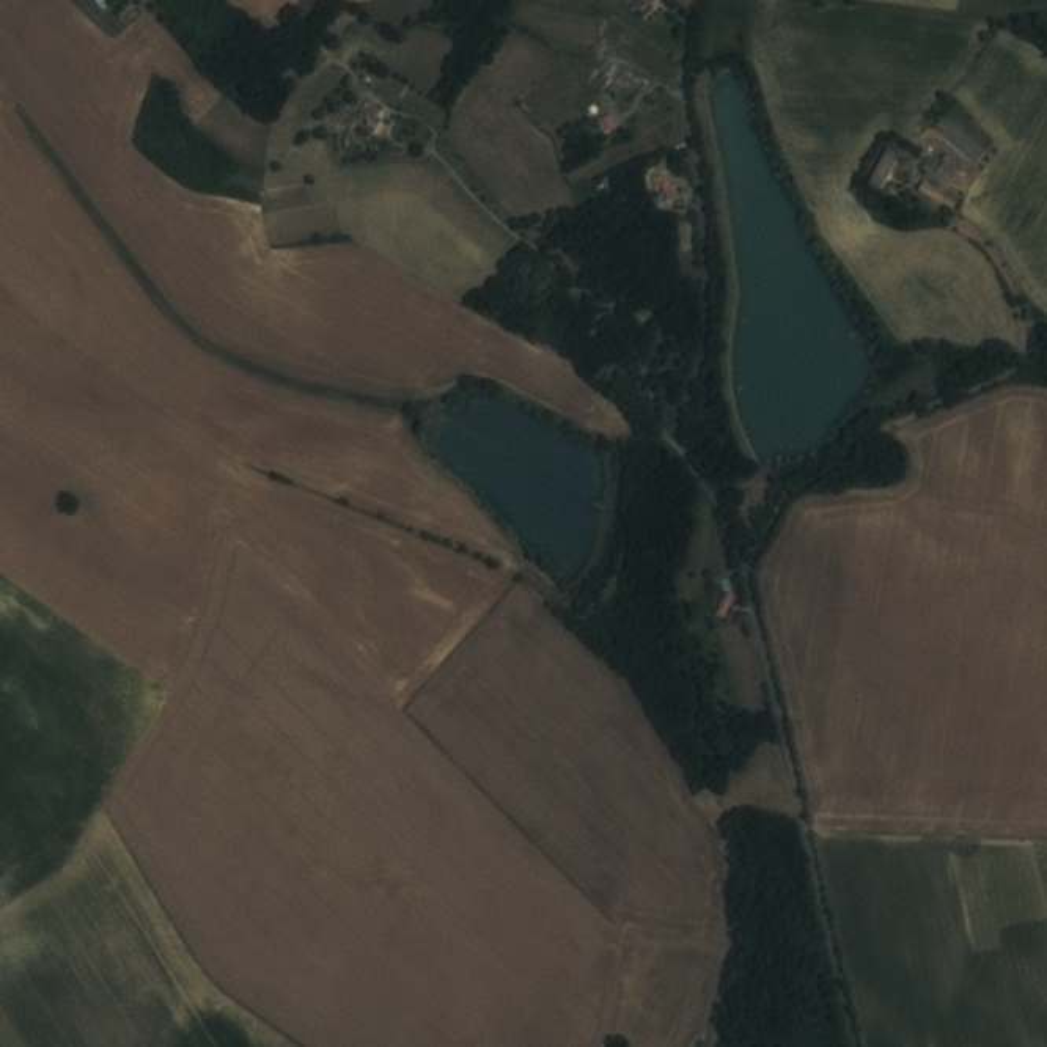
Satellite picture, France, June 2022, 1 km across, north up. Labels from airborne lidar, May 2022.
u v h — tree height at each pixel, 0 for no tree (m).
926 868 0
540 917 0
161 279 0
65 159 0
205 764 0
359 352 0
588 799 0
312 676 0
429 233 0
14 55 0
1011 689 0
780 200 0
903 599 0
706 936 0
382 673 0
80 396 0
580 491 0
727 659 0
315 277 0
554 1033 0
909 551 0
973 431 0
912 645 0
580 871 0
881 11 0
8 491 0
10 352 0
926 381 0
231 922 0
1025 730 0
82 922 0
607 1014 0
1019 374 8
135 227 0
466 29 13
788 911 14
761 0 0
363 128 6
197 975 0
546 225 11
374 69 14
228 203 0
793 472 6
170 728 0
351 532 0
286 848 0
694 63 16
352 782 0
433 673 0
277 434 0
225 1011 0
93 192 0
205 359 0
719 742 26
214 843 0
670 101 0
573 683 0
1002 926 0
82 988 0
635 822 0
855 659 0
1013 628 0
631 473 21
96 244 0
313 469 0
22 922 0
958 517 0
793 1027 9
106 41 0
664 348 15
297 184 0
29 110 0
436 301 0
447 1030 0
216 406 0
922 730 0
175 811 0
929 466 0
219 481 0
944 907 0
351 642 0
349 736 0
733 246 0
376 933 0
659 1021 0
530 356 0
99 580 0
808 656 0
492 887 0
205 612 0
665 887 0
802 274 0
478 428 0
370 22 11
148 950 0
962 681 0
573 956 0
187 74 0
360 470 0
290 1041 0
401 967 0
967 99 0
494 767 0
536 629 0
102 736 0
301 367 0
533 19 0
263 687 0
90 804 0
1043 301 0
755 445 0
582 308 10
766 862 23
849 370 0
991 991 0
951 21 0
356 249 0
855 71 0
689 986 0
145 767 0
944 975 0
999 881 0
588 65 0
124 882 0
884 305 0
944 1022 0
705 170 14
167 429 0
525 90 0
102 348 0
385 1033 0
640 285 15
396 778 0
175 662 0
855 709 0
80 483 0
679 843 0
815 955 11
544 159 0
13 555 0
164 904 0
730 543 15
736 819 19
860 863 0
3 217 0
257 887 0
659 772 0
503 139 0
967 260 0
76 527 0
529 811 0
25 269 0
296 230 0
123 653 0
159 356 0
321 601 0
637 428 15
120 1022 0
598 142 14
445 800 0
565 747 0
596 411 0
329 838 0
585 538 0
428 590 0
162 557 0
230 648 0
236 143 0
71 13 0
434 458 11
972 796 0
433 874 0
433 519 0
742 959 31
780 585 0
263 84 20
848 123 0
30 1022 0
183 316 0
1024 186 0
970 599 0
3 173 0
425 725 0
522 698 0
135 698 0
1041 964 0
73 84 0
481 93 0
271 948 0
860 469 15
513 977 0
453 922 0
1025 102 0
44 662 0
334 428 0
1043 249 0
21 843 0
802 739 0
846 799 0
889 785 0
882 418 10
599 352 17
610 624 12
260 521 0
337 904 0
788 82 0
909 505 0
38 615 0
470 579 0
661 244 11
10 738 0
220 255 0
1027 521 0
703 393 17
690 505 22
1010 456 0
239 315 0
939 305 0
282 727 0
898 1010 0
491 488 0
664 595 22
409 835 0
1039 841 0
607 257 17
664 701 20
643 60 0
